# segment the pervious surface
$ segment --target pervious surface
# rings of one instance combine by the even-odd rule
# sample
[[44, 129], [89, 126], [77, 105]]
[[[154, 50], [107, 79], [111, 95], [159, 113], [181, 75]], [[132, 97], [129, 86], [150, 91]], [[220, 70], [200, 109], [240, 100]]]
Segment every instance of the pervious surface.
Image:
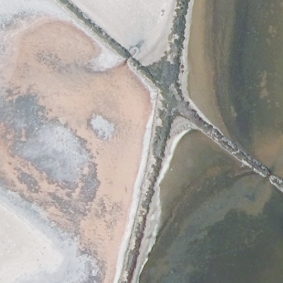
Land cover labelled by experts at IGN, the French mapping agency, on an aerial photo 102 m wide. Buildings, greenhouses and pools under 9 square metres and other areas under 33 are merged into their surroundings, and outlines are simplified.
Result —
[[163, 167], [156, 181], [154, 197], [151, 199], [132, 283], [138, 283], [160, 227], [161, 181], [166, 175], [179, 139], [189, 130], [196, 129], [198, 125], [192, 122], [179, 117], [171, 124]]
[[38, 181], [34, 179], [32, 175], [27, 174], [27, 172], [23, 172], [23, 174], [21, 174], [18, 177], [21, 184], [27, 185], [29, 191], [31, 192], [39, 192], [40, 185], [38, 184]]
[[10, 81], [17, 66], [21, 35], [25, 30], [34, 29], [42, 23], [62, 20], [72, 23], [101, 48], [101, 55], [91, 60], [94, 71], [105, 71], [122, 63], [124, 57], [117, 54], [111, 45], [99, 39], [90, 27], [78, 19], [60, 0], [0, 0], [0, 124], [3, 123], [4, 126], [1, 135], [3, 147], [8, 149], [10, 157], [30, 161], [36, 170], [45, 172], [48, 184], [75, 191], [77, 184], [74, 182], [76, 179], [73, 174], [80, 170], [77, 164], [88, 158], [87, 153], [78, 154], [80, 143], [69, 129], [54, 124], [42, 125], [45, 116], [40, 116], [39, 112], [44, 111], [45, 106], [39, 104], [38, 95], [23, 95], [21, 87]]
[[98, 134], [105, 133], [105, 136], [111, 137], [114, 125], [106, 122], [101, 116], [96, 116], [92, 119], [92, 125], [98, 129]]
[[179, 72], [180, 88], [185, 99], [192, 108], [206, 123], [211, 122], [192, 101], [187, 91], [188, 43], [195, 0], [189, 0], [185, 40], [180, 59], [184, 67], [180, 67]]
[[146, 125], [132, 206], [118, 250], [113, 283], [122, 283], [127, 281], [128, 254], [135, 248], [137, 226], [143, 220], [146, 211], [141, 205], [147, 198], [149, 180], [154, 174], [153, 166], [156, 159], [153, 154], [153, 143], [156, 127], [161, 125], [159, 111], [163, 109], [161, 102], [164, 98], [159, 88], [141, 70], [144, 66], [158, 62], [164, 56], [165, 51], [170, 50], [170, 45], [168, 43], [168, 35], [172, 30], [176, 10], [179, 9], [177, 0], [70, 0], [98, 27], [127, 49], [139, 40], [145, 42], [141, 45], [140, 52], [134, 55], [134, 61], [128, 60], [127, 66], [149, 91], [151, 111]]
[[77, 251], [80, 240], [71, 239], [72, 233], [56, 228], [54, 222], [49, 222], [48, 213], [36, 203], [24, 201], [19, 193], [0, 187], [0, 283], [82, 283], [87, 280], [88, 272], [85, 266], [87, 255]]
[[88, 174], [81, 175], [83, 186], [76, 198], [78, 202], [93, 201], [101, 185], [97, 178], [96, 163], [88, 163]]

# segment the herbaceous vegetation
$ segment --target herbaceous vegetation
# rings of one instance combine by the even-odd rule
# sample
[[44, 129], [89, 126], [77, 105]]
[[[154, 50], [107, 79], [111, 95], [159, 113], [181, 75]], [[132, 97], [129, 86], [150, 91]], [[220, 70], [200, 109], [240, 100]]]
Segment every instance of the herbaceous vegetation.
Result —
[[169, 86], [178, 104], [172, 107], [171, 115], [178, 111], [179, 117], [192, 122], [192, 108], [185, 99], [180, 101], [175, 84]]
[[172, 30], [168, 35], [168, 43], [170, 45], [170, 50], [165, 51], [164, 56], [167, 57], [167, 61], [169, 63], [172, 64], [174, 63], [177, 54], [177, 45], [175, 41], [178, 39], [178, 34], [176, 34]]
[[78, 19], [90, 27], [99, 39], [111, 45], [117, 54], [124, 57], [132, 55], [127, 49], [98, 27], [70, 0], [60, 0]]

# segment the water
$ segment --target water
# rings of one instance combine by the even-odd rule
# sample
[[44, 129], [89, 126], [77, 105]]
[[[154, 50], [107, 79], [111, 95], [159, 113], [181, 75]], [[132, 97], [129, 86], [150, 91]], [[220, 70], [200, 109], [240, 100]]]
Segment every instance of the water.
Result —
[[260, 157], [262, 163], [283, 177], [283, 0], [195, 0], [188, 43], [187, 91], [192, 101], [211, 122], [224, 133], [229, 132], [232, 143], [238, 141], [242, 149], [253, 143], [255, 154]]
[[196, 129], [189, 130], [179, 139], [166, 175], [161, 181], [160, 227], [138, 283], [283, 283], [283, 193], [270, 184], [270, 180], [234, 160], [213, 140]]
[[[73, 174], [76, 179], [74, 182], [77, 184], [75, 191], [48, 184], [45, 172], [36, 170], [30, 161], [10, 157], [8, 149], [3, 147], [1, 135], [4, 126], [3, 123], [0, 124], [0, 187], [19, 193], [24, 201], [36, 203], [48, 213], [49, 222], [54, 222], [56, 228], [72, 233], [71, 239], [80, 240], [77, 251], [87, 255], [85, 266], [88, 272], [87, 280], [82, 283], [113, 283], [118, 250], [132, 206], [146, 125], [151, 111], [149, 91], [127, 66], [128, 60], [134, 61], [134, 55], [140, 52], [141, 45], [145, 42], [139, 40], [127, 49], [132, 55], [124, 57], [122, 63], [105, 71], [94, 71], [91, 60], [101, 55], [101, 48], [72, 23], [62, 20], [42, 23], [34, 29], [25, 30], [21, 35], [17, 66], [10, 81], [21, 87], [23, 95], [38, 95], [39, 104], [45, 106], [44, 111], [39, 112], [40, 116], [45, 116], [42, 125], [54, 124], [69, 129], [80, 143], [78, 154], [87, 153], [88, 158], [77, 164], [80, 170]], [[92, 125], [92, 119], [96, 116], [101, 116], [106, 122], [114, 125], [111, 137], [105, 136], [105, 133], [98, 134], [98, 129]], [[93, 201], [78, 202], [76, 198], [83, 186], [81, 175], [88, 174], [88, 163], [96, 163], [97, 178], [101, 185]], [[39, 192], [31, 192], [29, 191], [27, 185], [21, 184], [18, 177], [21, 174], [23, 174], [23, 172], [27, 172], [27, 174], [32, 175], [34, 179], [38, 181], [38, 184], [40, 185]]]

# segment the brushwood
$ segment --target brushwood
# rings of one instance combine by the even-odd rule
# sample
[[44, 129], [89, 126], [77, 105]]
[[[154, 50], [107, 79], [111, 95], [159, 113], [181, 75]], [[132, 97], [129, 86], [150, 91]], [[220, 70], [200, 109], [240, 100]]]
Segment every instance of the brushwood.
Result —
[[283, 193], [283, 177], [262, 163], [260, 157], [255, 154], [253, 143], [242, 149], [238, 141], [232, 143], [229, 132], [224, 133], [211, 122], [206, 123], [192, 108], [192, 122], [198, 125], [196, 129], [213, 140], [234, 160], [270, 180], [270, 184]]
[[169, 86], [175, 84], [180, 101], [185, 99], [180, 88], [179, 72], [180, 67], [184, 67], [180, 59], [185, 40], [189, 0], [177, 0], [179, 9], [176, 10], [172, 30], [176, 34], [178, 34], [178, 39], [175, 41], [177, 45], [177, 54], [174, 63], [172, 64], [169, 63], [167, 61], [167, 57], [164, 56], [158, 62], [144, 66], [141, 70], [159, 88], [164, 98], [161, 102], [163, 109], [159, 111], [161, 125], [156, 127], [153, 143], [153, 154], [156, 159], [153, 166], [154, 174], [149, 180], [147, 198], [141, 205], [146, 211], [143, 220], [137, 226], [135, 248], [128, 254], [127, 281], [122, 283], [132, 283], [151, 199], [154, 197], [156, 181], [163, 167], [171, 124], [179, 117], [178, 111], [171, 115], [172, 107], [178, 104]]

